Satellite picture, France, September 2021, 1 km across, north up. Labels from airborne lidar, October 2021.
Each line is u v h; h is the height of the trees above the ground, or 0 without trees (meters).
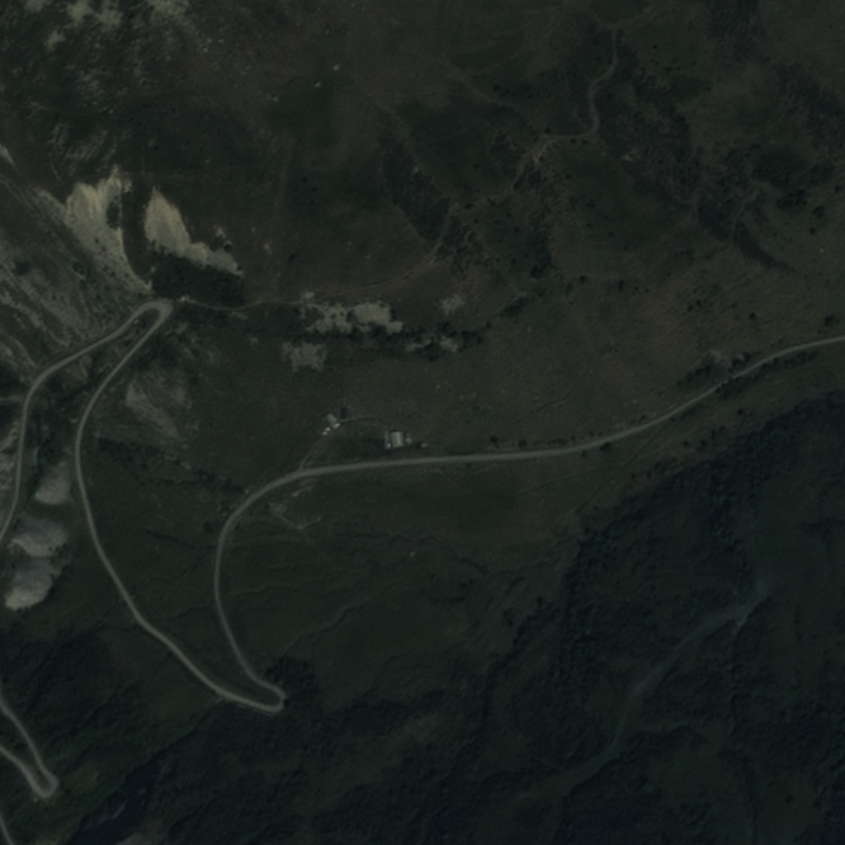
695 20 0
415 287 0
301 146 0
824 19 0
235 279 6
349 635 0
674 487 6
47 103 0
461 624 0
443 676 0
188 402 0
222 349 0
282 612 0
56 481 0
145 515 0
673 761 0
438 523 0
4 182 0
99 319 0
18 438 0
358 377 0
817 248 0
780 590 0
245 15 0
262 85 0
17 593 0
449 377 0
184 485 0
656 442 0
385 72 0
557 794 0
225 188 0
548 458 0
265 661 0
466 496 0
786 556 0
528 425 0
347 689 0
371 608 0
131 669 0
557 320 0
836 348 0
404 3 0
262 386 0
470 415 0
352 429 0
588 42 0
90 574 0
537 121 0
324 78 0
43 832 0
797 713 6
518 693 0
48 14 0
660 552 0
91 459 0
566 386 0
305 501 0
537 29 0
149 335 0
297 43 0
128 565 0
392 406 0
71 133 0
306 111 0
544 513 0
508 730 0
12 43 0
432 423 0
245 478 0
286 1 0
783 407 0
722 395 8
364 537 0
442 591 0
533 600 0
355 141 0
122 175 0
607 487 0
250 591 0
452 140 0
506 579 0
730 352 0
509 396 0
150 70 0
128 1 0
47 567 0
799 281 0
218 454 0
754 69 0
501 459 0
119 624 0
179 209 0
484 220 0
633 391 0
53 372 0
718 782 0
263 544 0
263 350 0
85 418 0
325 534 0
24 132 0
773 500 0
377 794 0
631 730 0
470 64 0
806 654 0
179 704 0
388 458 7
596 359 0
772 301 0
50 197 0
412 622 0
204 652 0
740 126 0
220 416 0
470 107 0
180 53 0
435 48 0
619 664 0
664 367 0
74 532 0
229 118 0
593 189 0
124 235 0
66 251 0
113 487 0
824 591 0
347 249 0
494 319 0
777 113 0
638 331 0
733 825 0
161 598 0
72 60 0
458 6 0
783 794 0
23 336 0
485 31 0
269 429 0
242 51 0
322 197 0
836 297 0
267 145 0
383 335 6
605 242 0
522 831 0
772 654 0
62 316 0
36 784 0
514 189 6
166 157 0
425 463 0
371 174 0
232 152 0
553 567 0
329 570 0
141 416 0
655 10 0
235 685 0
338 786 0
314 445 0
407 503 0
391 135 0
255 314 0
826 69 0
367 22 0
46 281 0
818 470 0
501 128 0
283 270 0
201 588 0
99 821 0
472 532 0
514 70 0
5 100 0
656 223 0
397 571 0
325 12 0
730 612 0
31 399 0
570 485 0
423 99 0
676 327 0
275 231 0
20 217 0
